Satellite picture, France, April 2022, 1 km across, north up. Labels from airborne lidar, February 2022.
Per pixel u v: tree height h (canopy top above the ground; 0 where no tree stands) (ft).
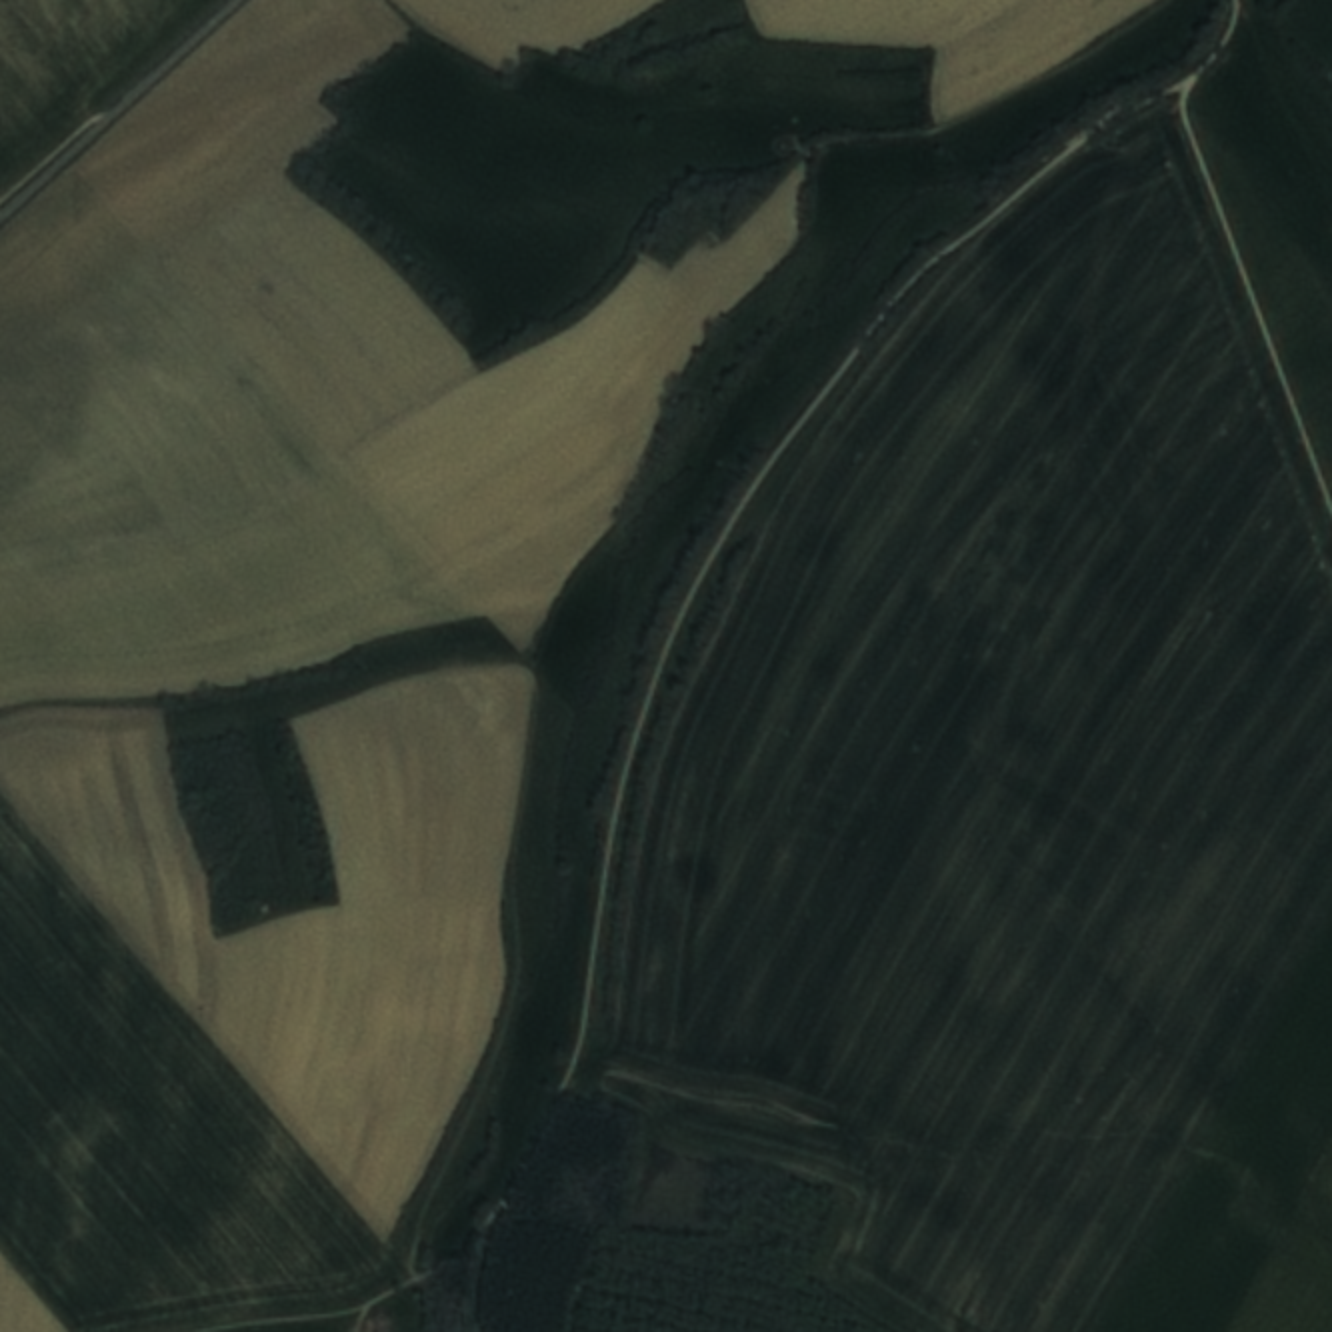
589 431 0
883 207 0
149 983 0
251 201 0
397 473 0
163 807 0
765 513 0
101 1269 0
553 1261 52
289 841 0
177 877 0
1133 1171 0
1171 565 0
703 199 54
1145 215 0
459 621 0
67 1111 0
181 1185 0
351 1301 0
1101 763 0
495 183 0
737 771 0
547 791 0
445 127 0
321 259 0
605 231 0
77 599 0
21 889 0
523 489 0
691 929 0
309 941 0
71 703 0
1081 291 0
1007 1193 0
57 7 0
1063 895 0
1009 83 0
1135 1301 0
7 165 0
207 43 0
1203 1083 0
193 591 0
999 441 0
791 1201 55
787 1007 0
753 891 0
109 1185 0
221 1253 0
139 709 0
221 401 0
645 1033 0
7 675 0
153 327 0
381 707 0
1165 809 0
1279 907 0
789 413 0
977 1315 0
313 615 0
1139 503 0
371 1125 0
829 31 0
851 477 0
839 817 0
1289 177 0
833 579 0
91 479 0
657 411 0
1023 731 0
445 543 0
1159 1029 0
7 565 0
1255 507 0
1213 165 0
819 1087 0
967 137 0
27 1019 0
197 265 0
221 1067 0
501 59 0
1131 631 0
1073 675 0
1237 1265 0
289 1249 0
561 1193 42
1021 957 0
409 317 0
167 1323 0
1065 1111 0
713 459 0
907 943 0
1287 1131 0
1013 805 0
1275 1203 0
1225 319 0
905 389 0
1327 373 0
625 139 0
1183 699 0
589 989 0
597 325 0
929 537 0
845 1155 0
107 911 0
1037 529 0
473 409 0
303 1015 0
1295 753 0
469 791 0
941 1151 0
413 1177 0
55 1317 0
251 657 0
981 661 0
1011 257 0
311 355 0
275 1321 0
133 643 0
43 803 0
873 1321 28
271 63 0
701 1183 0
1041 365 0
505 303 0
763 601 0
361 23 0
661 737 35
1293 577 0
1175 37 0
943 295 0
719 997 0
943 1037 0
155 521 0
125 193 0
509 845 0
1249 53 0
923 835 0
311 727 0
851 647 0
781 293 0
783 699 0
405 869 0
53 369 0
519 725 0
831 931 0
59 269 0
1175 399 0
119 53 0
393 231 43
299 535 0
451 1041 0
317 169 48
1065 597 0
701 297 0
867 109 0
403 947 0
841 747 0
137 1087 0
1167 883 0
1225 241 0
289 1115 0
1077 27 0
